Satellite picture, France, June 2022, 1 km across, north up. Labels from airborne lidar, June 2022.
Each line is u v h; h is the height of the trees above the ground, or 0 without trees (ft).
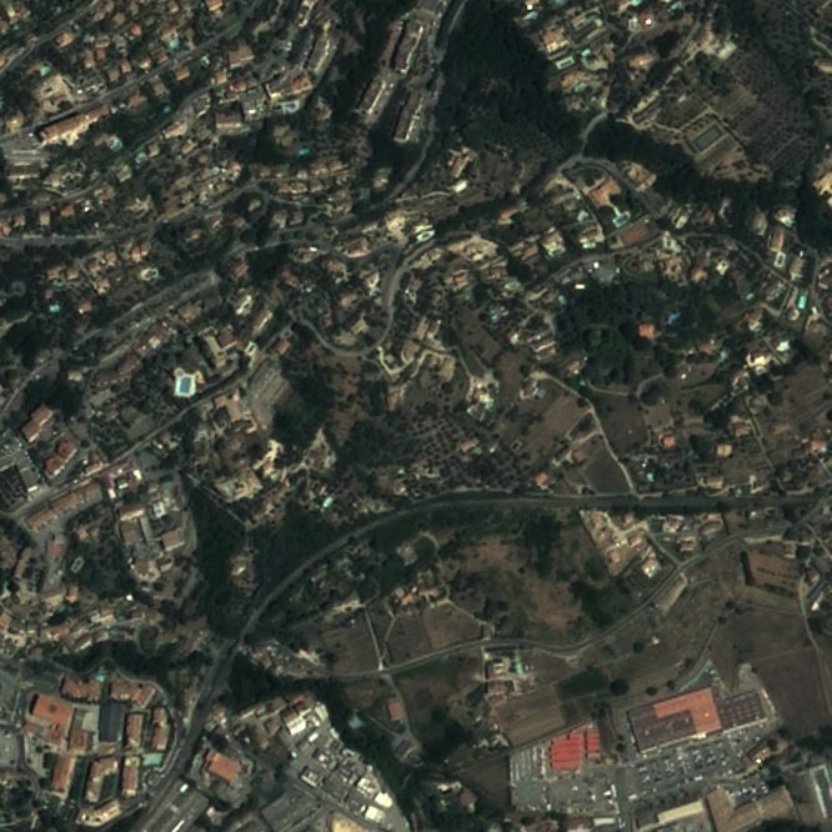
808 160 20
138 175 23
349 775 0
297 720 0
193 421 37
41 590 22
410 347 0
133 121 21
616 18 25
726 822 0
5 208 22
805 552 45
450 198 21
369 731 32
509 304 33
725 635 0
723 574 0
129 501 43
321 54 0
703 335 18
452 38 42
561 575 28
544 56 36
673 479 19
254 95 0
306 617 50
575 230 28
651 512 33
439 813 37
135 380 24
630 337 49
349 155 29
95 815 0
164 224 23
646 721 0
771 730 0
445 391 21
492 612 41
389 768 28
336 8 26
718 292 23
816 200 54
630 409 0
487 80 20
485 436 24
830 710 0
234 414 0
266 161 56
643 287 59
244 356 22
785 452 0
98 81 0
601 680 0
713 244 20
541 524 19
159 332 0
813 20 23
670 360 27
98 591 29
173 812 0
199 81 22
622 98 23
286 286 33
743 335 20
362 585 19
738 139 32
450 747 24
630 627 0
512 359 0
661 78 44
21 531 22
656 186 42
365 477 21
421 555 38
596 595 27
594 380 52
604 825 0
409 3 55
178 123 0
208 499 35
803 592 0
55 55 32
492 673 0
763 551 18
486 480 21
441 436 20
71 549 23
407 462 19
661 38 33
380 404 26
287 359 23
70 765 0
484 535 0
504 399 0
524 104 52
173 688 33
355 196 31
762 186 58
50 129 0
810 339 0
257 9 27
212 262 39
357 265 26
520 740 0
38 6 21
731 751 0
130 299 26
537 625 0
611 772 0
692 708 0
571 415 0
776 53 26
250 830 0
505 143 20
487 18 42
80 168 25
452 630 0
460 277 0
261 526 22
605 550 0
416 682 0
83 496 0
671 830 0
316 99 59
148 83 36
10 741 0
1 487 18
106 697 33
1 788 19
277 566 40
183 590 28
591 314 41
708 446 56
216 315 24
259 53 23
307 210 29
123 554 23
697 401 19
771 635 0
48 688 0
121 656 58
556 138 46
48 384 44
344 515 32
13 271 64
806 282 18
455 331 19
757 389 29
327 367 27
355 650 0
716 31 20
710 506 23
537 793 0
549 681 0
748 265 19
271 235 34
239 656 50
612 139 61
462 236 25
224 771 0
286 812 0
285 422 42
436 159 29
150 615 0
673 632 0
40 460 25
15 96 35
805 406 0
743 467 0
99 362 45
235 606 18
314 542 31
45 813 51
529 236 19
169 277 50
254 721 0
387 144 57
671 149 51
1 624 0
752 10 28
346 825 0
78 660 64
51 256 37
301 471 29
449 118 75
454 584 25
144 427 0
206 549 40
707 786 0
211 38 18
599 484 0
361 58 52
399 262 25
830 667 0
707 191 35
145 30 38
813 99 58
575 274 0
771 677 0
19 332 45
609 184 0
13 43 26
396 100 20
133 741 0
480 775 0
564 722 0
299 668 0
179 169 19
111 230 25
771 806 0
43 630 0
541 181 67
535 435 0
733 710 0
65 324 23
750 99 0
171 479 26
